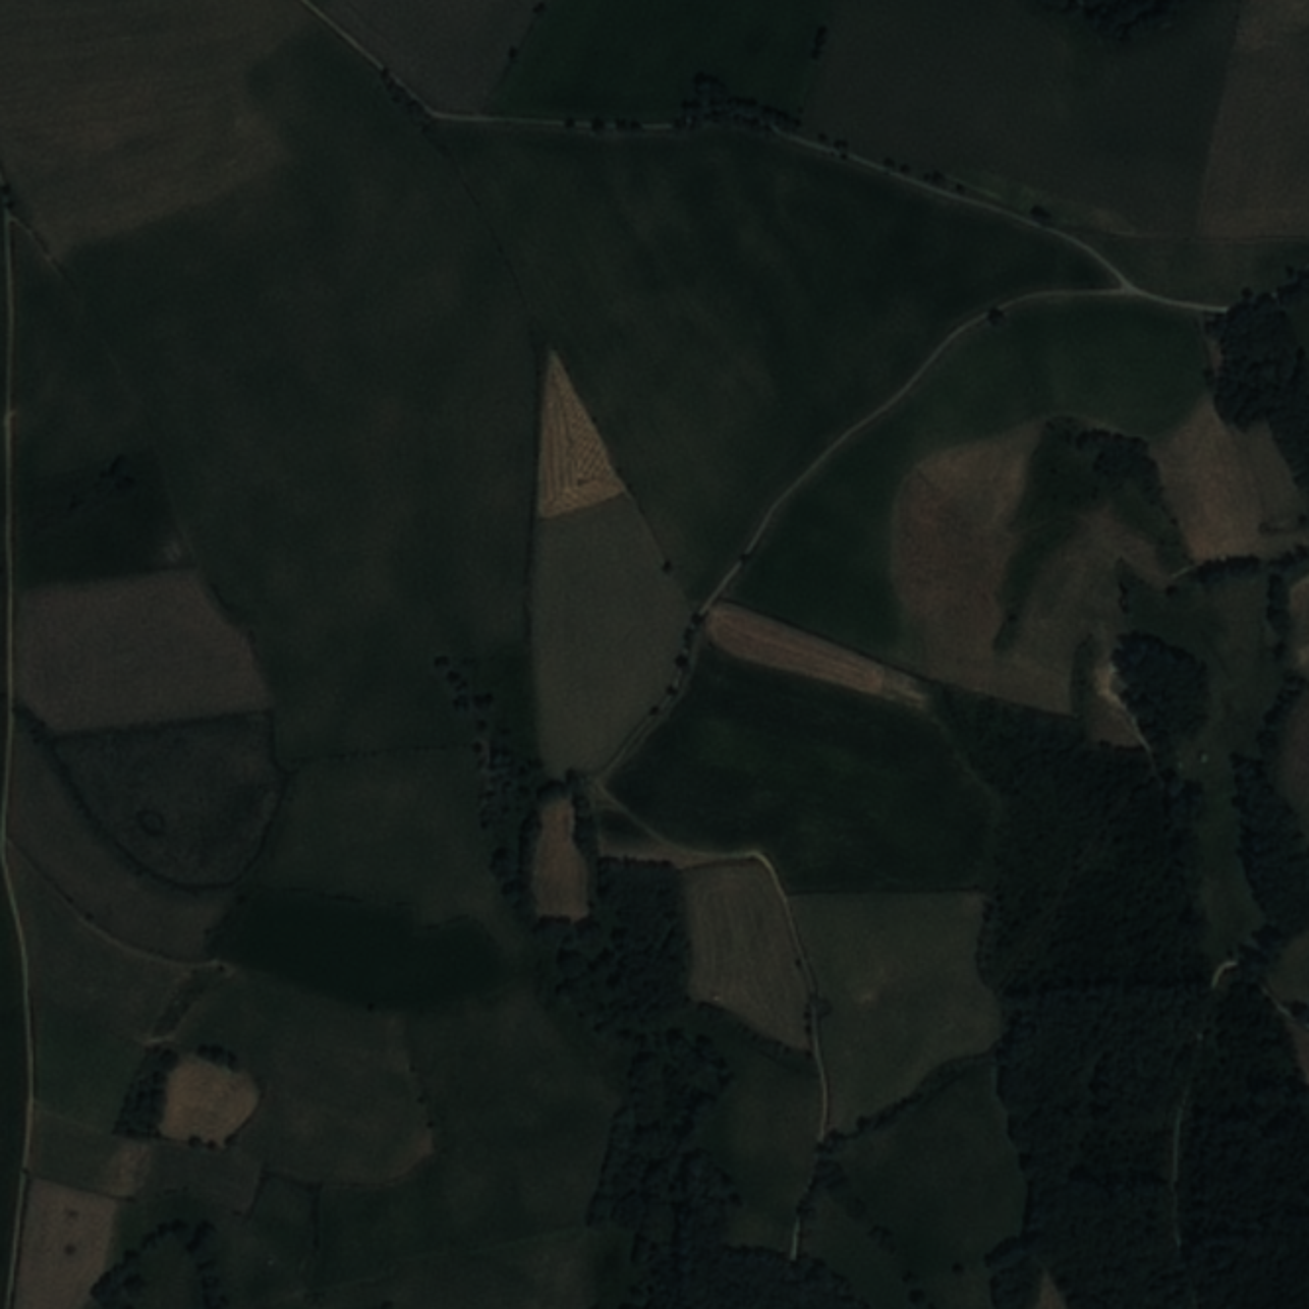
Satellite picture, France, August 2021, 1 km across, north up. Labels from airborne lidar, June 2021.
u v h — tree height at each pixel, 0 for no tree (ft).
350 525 0
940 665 0
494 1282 0
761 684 0
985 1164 0
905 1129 0
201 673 0
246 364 0
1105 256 0
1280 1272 76
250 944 0
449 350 0
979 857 0
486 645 0
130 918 0
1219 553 0
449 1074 0
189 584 0
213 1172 0
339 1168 0
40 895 0
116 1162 0
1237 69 0
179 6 0
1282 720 44
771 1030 0
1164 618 0
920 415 0
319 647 0
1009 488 0
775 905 0
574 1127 0
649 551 0
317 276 0
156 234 0
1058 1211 94
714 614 0
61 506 0
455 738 0
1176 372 0
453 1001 0
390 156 0
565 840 0
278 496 0
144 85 0
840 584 0
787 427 0
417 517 0
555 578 0
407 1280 0
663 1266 40
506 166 0
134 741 0
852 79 0
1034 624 0
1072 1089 93
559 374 0
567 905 0
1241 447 0
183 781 0
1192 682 90
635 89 0
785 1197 0
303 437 0
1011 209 0
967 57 0
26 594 0
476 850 0
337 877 0
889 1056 0
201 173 0
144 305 0
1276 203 0
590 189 0
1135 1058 74
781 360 0
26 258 0
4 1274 0
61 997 0
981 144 0
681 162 0
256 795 0
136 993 0
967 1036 0
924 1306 52
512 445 0
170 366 0
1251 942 0
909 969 0
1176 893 21
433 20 0
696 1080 52
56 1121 0
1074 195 0
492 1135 0
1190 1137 26
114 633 0
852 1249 0
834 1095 0
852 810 0
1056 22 0
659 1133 66
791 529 0
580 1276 0
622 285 0
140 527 0
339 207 0
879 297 0
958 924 0
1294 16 0
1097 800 22
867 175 0
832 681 0
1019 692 0
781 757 0
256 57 0
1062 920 27
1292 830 66
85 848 0
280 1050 0
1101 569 0
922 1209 0
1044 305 0
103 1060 0
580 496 0
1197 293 0
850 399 0
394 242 0
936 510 0
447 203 0
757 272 0
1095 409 0
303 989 0
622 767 0
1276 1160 77
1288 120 0
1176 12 38
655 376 0
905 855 0
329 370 0
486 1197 0
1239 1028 25
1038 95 0
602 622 0
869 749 0
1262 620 0
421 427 0
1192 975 29
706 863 0
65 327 0
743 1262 42
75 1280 0
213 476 0
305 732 0
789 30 0
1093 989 79
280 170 0
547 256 0
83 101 0
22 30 0
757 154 0
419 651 0
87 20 0
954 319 0
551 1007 0
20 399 0
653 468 0
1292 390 43
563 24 0
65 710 0
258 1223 0
